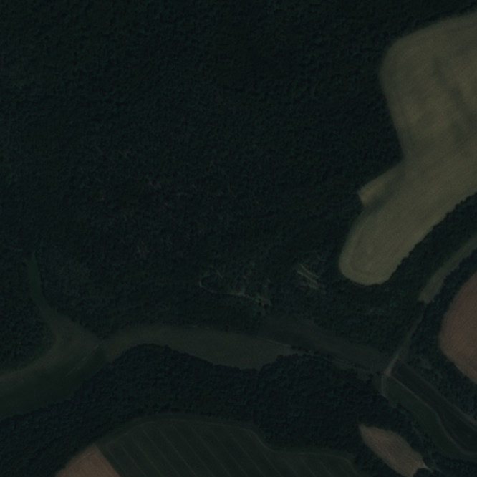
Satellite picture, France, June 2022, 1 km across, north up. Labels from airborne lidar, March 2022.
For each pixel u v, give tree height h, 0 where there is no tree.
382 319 12
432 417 0
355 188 15
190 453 0
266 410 12
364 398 27
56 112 22
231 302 14
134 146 19
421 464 0
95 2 18
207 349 0
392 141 15
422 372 6
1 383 0
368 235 0
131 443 0
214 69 8
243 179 17
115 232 20
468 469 21
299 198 20
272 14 17
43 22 10
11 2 14
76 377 0
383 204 0
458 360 0
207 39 14
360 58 21
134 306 17
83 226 11
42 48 16
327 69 16
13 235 17
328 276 12
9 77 24
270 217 18
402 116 0
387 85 0
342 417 18
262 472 0
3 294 26
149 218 18
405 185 0
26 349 16
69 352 0
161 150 19
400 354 0
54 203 17
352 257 0
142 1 20
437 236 19
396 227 0
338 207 15
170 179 18
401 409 14
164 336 0
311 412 18
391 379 0
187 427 0
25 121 18
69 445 15
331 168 21
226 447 0
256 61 6
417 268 18
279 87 18
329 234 18
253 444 0
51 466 18
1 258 22
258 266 12
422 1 9
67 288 8
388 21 13
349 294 14
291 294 10
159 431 0
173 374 18
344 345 0
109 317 15
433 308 13
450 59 0
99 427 16
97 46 11
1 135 21
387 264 0
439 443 0
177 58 16
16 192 19
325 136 17
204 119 18
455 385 16
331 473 0
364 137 17
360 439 22
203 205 22
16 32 16
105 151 17
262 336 0
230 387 19
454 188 0
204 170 15
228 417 10
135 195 13
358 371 0
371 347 6
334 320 17
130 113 18
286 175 14
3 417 0
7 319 17
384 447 0
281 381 20
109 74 21
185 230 18
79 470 0
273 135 16
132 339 0
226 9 14
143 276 6
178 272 20
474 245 0
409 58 0
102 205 18
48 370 0
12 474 15
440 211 0
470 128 0
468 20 0
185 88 16
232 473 0
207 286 8
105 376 18
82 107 15
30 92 23
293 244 18
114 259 19
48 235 24
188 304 15
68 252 19
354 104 10
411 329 7
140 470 0
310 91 18
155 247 20
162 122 12
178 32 23
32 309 20
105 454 0
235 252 7
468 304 0
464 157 0
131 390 7
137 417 9
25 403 0
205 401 10
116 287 11
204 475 0
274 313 12
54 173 11
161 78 15
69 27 24
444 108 0
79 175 10
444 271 0
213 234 18
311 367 14
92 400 20
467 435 0
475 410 13
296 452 0
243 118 17
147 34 11
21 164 17
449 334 0
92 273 13
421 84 0
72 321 15
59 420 15
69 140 19
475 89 0
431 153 0
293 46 11
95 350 0
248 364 0
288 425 25
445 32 0
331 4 7
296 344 0
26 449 17
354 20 16
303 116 16
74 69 21
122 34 9
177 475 0
